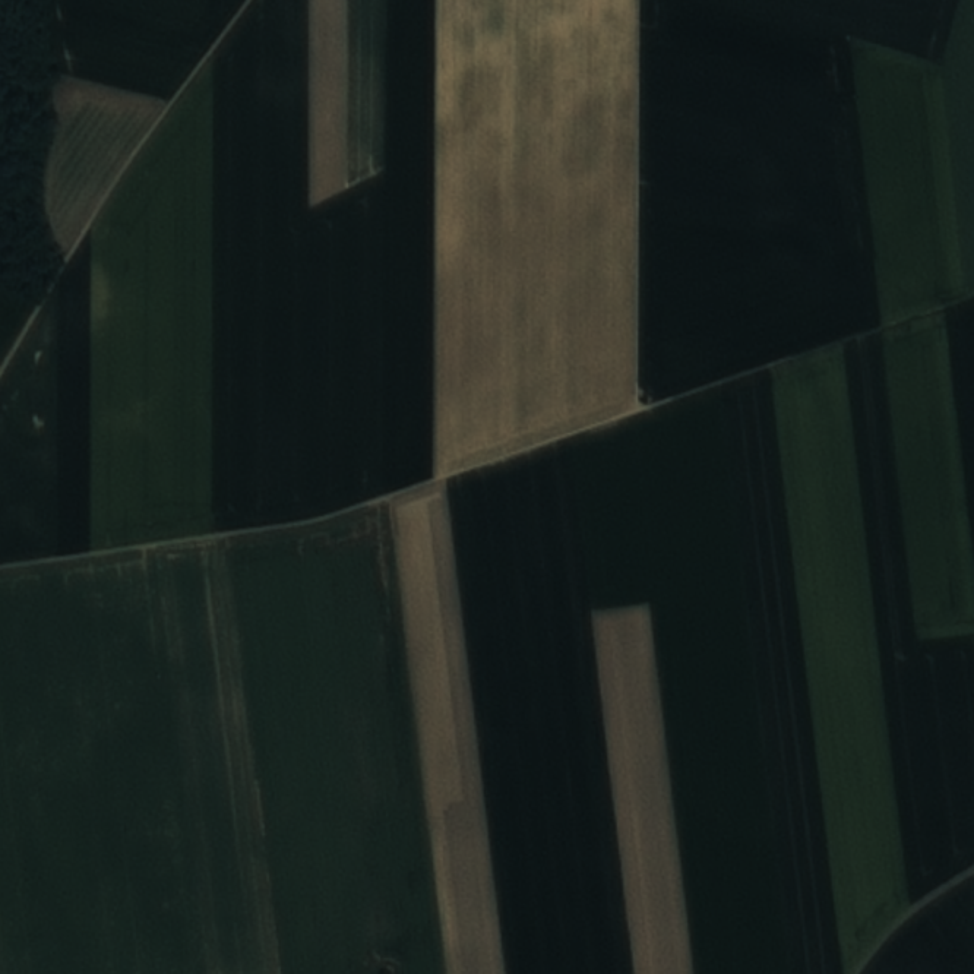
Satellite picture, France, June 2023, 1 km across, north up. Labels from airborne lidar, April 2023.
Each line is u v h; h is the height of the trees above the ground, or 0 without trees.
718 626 0
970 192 0
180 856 0
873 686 0
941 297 0
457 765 0
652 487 0
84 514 0
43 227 19
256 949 0
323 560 0
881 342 0
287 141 0
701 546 0
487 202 0
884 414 0
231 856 0
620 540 0
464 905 0
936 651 0
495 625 0
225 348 0
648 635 0
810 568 0
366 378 0
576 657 0
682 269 0
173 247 0
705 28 0
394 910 0
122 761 0
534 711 0
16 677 0
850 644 0
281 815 0
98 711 0
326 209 0
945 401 0
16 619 0
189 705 0
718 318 0
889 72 0
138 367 0
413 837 0
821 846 0
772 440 0
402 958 0
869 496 0
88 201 0
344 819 0
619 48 0
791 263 0
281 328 0
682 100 0
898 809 0
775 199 0
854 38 0
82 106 0
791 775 0
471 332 0
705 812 0
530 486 0
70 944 0
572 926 0
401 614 0
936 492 0
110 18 0
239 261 0
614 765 0
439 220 0
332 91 0
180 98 0
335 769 0
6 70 23
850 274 0
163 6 0
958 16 0
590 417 0
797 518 0
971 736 0
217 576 0
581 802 0
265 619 0
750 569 0
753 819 0
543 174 0
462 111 0
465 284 0
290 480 0
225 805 0
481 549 0
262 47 0
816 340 0
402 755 0
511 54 0
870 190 0
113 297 0
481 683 0
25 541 0
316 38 0
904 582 0
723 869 0
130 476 0
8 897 0
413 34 0
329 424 0
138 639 0
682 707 0
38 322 0
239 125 0
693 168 0
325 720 0
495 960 0
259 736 0
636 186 0
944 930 0
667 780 0
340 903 0
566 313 0
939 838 0
